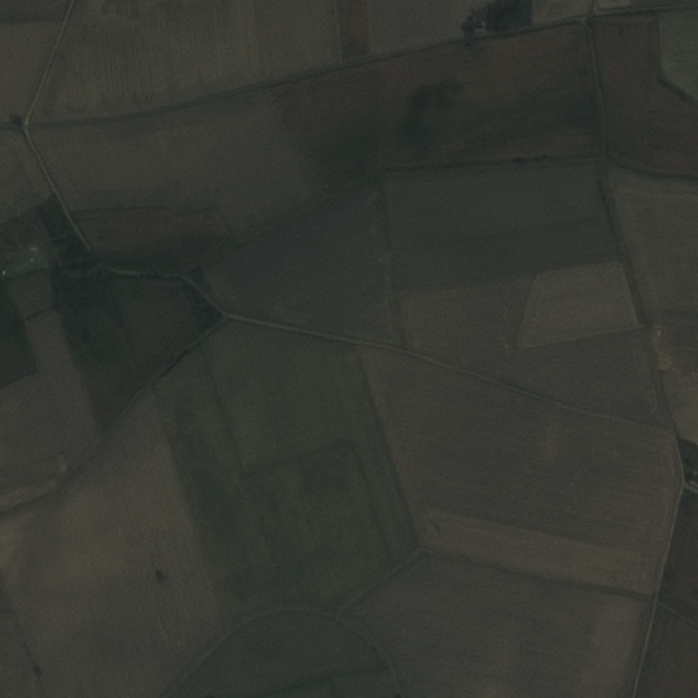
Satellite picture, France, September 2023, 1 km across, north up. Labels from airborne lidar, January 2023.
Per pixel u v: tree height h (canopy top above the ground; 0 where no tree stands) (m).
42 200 0
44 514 0
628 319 0
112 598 0
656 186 0
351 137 0
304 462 0
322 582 0
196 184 0
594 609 0
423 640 0
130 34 0
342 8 0
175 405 0
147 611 0
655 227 0
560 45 0
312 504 0
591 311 0
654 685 0
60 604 0
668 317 0
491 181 0
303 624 0
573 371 0
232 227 0
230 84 0
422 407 0
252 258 0
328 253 0
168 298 0
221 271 0
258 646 0
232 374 0
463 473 0
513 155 0
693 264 0
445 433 0
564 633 0
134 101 0
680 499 0
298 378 0
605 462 0
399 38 0
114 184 0
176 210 0
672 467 0
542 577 0
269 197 0
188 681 0
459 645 0
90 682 0
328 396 0
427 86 0
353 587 0
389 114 0
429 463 0
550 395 0
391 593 0
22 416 0
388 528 0
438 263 0
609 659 0
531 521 0
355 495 0
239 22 0
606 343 0
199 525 0
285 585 0
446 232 0
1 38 0
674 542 0
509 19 7
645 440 0
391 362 0
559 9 0
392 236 0
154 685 0
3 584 0
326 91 0
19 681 0
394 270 0
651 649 0
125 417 0
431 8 0
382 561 0
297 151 0
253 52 0
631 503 0
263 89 0
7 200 0
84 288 0
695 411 0
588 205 0
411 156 0
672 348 0
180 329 0
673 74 0
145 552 0
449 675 0
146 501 0
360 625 0
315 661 0
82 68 0
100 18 0
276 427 0
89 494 0
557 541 0
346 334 0
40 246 0
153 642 0
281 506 0
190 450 0
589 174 0
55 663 0
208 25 0
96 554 0
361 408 0
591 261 0
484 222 0
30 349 0
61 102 0
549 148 0
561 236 0
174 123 0
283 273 0
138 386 0
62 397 0
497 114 0
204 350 0
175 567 0
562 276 0
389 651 0
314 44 0
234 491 0
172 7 0
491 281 0
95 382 0
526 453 0
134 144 0
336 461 0
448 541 0
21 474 0
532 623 0
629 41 0
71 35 0
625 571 0
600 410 0
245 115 0
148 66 0
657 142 0
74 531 0
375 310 0
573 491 0
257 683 0
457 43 0
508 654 0
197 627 0
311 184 0
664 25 0
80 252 10
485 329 0
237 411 0
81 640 0
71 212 0
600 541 0
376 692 0
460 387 0
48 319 0
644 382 0
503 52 0
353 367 0
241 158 0
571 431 0
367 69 0
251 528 0
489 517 0
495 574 0
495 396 0
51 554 0
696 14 0
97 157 0
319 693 0
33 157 0
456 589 0
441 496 0
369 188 0
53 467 0
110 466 0
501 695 0
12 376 0
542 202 0
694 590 0
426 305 0
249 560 0
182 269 0
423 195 0
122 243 0
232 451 0
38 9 0
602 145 0
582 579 0
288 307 0
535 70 0
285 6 0
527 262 0
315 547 0
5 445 0
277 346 0
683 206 0
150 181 0
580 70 0
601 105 0
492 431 0
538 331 0
